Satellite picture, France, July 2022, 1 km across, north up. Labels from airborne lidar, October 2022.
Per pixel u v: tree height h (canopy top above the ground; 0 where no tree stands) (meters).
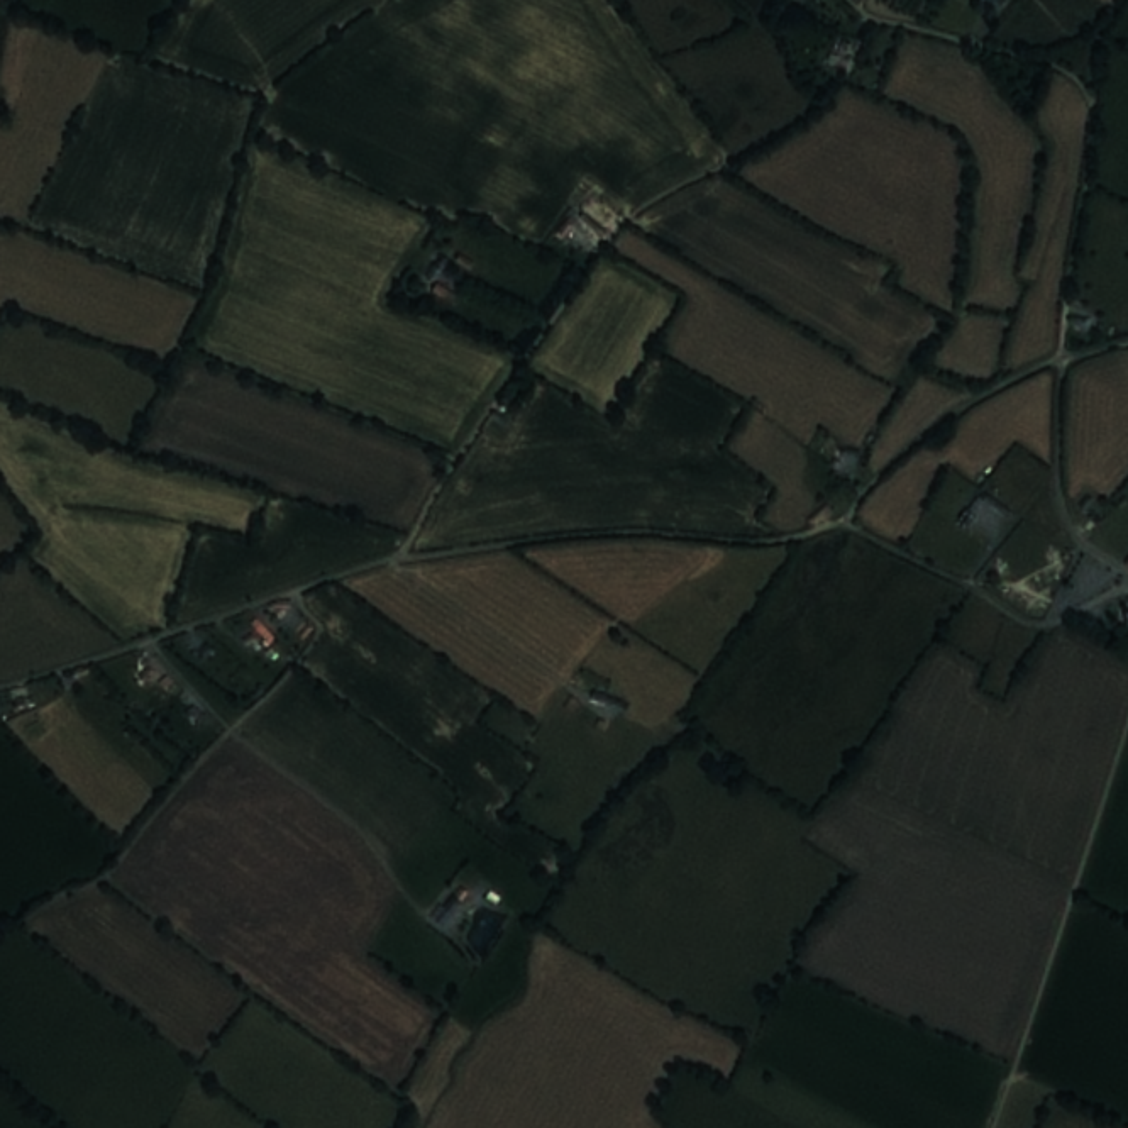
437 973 0
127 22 0
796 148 0
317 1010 0
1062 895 0
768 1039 0
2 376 0
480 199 0
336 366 0
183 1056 11
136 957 0
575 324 0
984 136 0
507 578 0
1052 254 0
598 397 0
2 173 0
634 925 0
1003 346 7
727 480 0
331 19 0
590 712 0
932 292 0
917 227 0
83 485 0
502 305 17
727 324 0
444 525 0
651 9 0
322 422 0
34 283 0
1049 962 0
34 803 0
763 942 0
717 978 0
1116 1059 0
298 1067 0
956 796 0
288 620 0
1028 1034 0
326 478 0
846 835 0
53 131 0
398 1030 0
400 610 0
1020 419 0
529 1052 0
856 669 0
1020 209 0
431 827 0
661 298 0
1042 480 0
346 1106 0
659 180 0
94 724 0
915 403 0
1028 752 0
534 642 0
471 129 0
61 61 0
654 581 0
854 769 18
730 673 0
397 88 0
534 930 6
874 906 0
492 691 8
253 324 0
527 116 0
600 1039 0
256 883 0
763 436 0
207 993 0
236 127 0
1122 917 12
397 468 0
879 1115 0
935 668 0
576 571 0
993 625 0
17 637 0
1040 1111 10
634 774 9
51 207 0
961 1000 0
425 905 0
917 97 0
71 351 0
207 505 0
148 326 0
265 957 0
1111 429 0
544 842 7
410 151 0
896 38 8
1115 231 0
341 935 0
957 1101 0
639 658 0
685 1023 0
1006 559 0
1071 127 0
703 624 0
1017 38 0
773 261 0
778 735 0
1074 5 0
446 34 0
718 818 0
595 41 0
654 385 0
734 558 0
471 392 0
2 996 0
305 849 0
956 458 0
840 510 0
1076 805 0
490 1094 0
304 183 0
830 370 0
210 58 0
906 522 0
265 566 0
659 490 0
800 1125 0
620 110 0
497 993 0
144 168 0
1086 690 0
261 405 0
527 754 7
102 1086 0
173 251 0
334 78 0
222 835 0
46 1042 0
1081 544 0
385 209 0
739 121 0
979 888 0
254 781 0
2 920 13
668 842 0
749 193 8
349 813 0
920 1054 0
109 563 0
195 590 0
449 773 0
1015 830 0
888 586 0
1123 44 14
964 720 0
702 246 0
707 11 0
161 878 0
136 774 0
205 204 0
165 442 0
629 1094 0
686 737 7
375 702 0
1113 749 0
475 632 0
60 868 0
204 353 9
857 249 7
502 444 0
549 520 0
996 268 0
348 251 0
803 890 0
